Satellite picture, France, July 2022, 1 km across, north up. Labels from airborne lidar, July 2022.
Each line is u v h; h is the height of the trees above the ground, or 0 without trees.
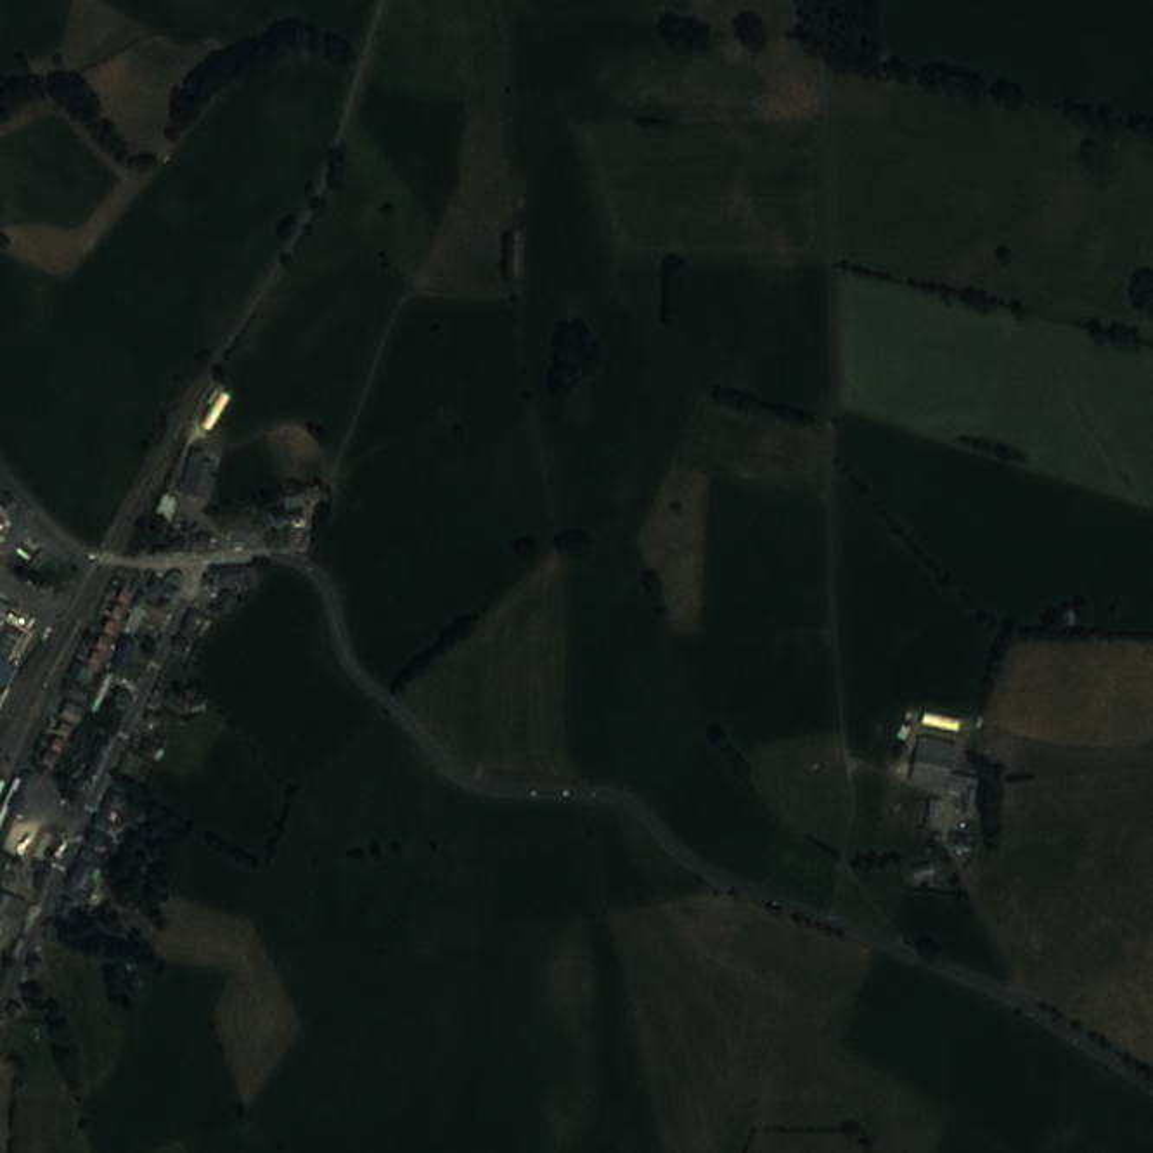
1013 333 0
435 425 0
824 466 0
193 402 0
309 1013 0
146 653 11
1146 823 0
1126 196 0
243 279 0
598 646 0
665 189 0
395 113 0
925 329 0
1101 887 0
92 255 0
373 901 0
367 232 0
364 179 0
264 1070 0
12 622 0
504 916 0
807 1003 0
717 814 0
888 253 0
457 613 0
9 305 0
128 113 0
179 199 0
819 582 0
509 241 15
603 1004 0
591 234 0
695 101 0
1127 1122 0
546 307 0
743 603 0
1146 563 0
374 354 0
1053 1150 0
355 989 0
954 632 0
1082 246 0
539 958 0
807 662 0
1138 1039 0
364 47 0
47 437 0
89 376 0
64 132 0
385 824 0
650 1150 0
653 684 0
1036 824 0
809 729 0
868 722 0
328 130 0
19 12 0
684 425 0
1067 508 0
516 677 0
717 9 0
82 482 0
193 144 0
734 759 19
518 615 0
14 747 0
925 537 0
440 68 0
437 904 0
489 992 0
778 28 0
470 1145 0
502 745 0
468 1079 0
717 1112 0
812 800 0
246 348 0
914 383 0
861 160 0
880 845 0
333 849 0
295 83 0
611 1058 0
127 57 0
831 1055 0
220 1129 0
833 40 25
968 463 0
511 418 0
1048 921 0
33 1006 14
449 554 0
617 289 0
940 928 0
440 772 0
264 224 0
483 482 0
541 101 0
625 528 0
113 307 0
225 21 0
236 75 16
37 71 0
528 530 0
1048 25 0
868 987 0
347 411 0
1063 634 10
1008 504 0
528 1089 0
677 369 0
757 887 0
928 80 23
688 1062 0
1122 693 0
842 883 0
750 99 0
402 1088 0
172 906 0
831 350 0
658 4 0
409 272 0
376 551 0
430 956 0
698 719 0
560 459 0
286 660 0
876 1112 0
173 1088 0
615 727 0
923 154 0
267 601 0
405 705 0
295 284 0
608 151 0
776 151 0
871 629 0
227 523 0
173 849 18
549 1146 0
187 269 0
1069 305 0
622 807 0
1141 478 0
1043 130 0
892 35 0
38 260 0
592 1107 0
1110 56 0
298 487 14
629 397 0
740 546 0
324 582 0
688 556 0
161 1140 0
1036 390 0
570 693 0
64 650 0
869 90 0
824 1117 0
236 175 0
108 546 0
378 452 0
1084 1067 0
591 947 0
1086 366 0
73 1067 19
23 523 0
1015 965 0
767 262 0
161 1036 0
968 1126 0
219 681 0
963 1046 0
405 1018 0
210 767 0
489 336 0
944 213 0
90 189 0
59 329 0
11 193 0
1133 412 0
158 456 0
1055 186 0
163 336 0
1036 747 0
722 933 0
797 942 0
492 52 0
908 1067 0
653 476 0
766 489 0
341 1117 0
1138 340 18
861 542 0
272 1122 0
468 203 0
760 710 0
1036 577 0
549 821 0
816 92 0
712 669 0
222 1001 0
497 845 0
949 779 0
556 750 0
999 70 0
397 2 0
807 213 0
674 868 0
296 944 0
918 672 0
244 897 0
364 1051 0
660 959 0
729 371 0
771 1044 0
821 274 0
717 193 0
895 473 0
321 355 0
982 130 0
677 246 0
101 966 0
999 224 0
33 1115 0
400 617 0
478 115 0
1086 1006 0
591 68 0
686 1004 0
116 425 0
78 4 0
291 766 0
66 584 0
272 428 0
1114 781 0
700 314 0
